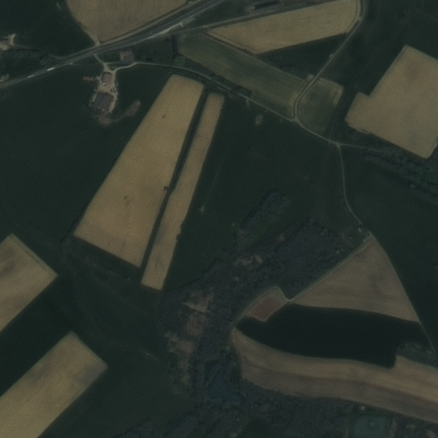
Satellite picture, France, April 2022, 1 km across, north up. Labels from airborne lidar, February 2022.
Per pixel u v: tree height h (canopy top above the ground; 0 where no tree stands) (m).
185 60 14
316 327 0
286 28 0
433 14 0
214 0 0
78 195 0
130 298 0
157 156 0
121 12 0
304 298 0
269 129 0
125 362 0
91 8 0
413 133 0
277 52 0
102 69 13
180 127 0
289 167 0
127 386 0
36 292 0
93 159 0
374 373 0
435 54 0
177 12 0
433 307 0
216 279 0
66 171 0
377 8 0
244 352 0
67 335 0
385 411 0
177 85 0
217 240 0
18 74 0
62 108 0
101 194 0
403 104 0
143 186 0
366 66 0
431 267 0
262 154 0
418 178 21
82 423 0
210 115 0
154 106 0
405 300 0
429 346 0
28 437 0
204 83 6
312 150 0
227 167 0
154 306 0
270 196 19
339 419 28
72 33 0
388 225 0
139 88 0
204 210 0
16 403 0
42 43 0
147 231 0
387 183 0
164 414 0
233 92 13
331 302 0
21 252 0
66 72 0
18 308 0
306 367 0
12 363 0
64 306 0
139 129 0
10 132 0
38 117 0
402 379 0
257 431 0
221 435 22
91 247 0
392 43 0
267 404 21
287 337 0
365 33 0
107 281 0
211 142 0
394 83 0
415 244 0
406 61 0
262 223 25
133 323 0
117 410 0
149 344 0
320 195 0
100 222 0
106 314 0
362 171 0
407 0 0
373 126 0
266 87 0
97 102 0
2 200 0
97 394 0
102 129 0
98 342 0
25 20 0
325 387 0
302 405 27
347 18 0
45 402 0
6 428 0
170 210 0
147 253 0
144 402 0
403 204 0
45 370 0
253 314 0
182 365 0
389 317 0
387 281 0
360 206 0
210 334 20
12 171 0
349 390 0
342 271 0
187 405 0
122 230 0
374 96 0
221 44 0
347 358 0
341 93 0
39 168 0
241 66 0
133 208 0
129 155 0
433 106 0
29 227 0
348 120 0
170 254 0
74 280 0
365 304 0
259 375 0
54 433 0
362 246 0
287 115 0
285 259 26
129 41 0
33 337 0
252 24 0
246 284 17
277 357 0
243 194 0
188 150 6
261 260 0
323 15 0
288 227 0
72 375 0
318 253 21
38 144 0
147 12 0
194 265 0
